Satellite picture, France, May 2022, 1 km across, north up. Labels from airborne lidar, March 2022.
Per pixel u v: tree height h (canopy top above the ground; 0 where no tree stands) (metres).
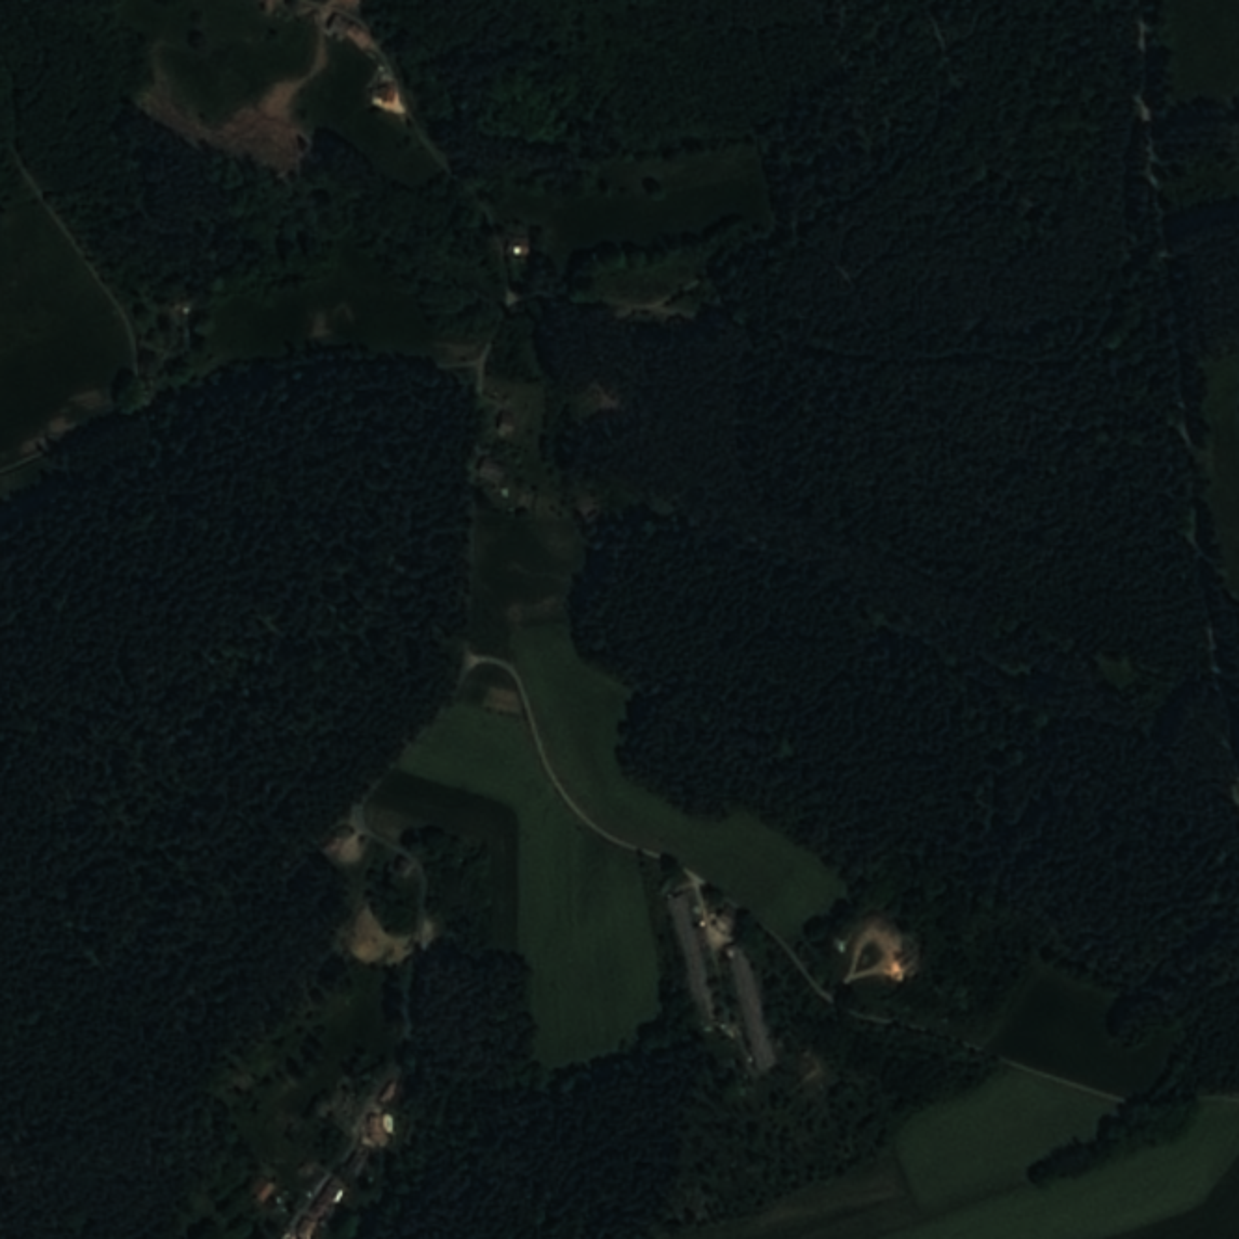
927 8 10
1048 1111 0
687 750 24
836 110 28
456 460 30
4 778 34
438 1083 16
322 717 11
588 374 36
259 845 37
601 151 18
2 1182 31
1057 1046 0
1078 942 27
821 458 30
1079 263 20
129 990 29
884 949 0
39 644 31
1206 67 0
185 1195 17
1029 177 15
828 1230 0
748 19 14
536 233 9
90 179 10
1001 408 29
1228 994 9
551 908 0
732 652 30
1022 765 39
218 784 34
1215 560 30
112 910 34
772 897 0
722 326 32
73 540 29
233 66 0
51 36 11
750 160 0
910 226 18
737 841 0
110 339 0
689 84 11
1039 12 15
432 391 30
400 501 28
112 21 22
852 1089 8
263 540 30
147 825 20
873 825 28
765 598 31
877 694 32
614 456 32
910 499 26
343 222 20
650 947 0
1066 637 23
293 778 34
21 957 29
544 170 23
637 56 14
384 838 0
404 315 0
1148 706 11
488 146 28
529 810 0
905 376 30
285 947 33
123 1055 28
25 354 0
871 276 19
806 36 14
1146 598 29
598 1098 28
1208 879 35
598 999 0
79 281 0
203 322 20
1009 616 23
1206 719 36
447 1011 23
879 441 29
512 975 25
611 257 20
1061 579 25
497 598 0
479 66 28
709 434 34
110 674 11
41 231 0
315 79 0
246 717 33
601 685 0
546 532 0
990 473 24
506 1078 18
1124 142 22
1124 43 23
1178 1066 11
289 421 34
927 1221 0
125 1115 30
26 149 12
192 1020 23
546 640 0
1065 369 33
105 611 31
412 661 29
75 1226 26
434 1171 17
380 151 0
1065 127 20
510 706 0
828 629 29
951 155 12
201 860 39
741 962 0
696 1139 0
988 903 18
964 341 26
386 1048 0
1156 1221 0
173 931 26
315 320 0
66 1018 30
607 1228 24
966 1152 0
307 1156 0
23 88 9
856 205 17
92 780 25
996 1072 8
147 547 30
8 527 30
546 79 16
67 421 0
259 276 19
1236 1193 0
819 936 15
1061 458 32
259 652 40
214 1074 24
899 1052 7
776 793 24
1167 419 21
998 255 21
